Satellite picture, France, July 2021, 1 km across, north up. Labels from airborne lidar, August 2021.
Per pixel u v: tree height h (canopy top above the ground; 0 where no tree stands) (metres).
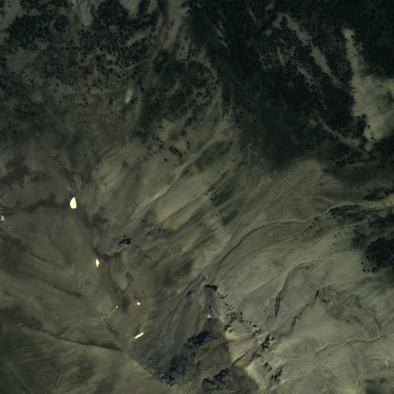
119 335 0
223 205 0
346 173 0
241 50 9
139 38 0
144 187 0
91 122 0
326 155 0
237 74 6
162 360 0
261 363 0
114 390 0
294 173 0
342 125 10
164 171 0
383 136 0
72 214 0
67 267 0
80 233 0
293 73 10
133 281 0
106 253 0
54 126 0
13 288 0
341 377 0
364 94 0
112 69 15
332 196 0
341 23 8
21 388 0
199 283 0
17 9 0
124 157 0
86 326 0
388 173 0
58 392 0
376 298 0
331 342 0
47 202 0
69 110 0
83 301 0
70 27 0
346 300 0
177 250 0
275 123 0
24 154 0
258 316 0
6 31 8
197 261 0
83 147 0
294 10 20
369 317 0
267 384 0
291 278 0
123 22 8
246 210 0
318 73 7
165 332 0
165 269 0
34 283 0
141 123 0
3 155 0
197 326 0
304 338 0
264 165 0
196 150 0
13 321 0
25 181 0
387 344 0
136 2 0
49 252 0
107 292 0
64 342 0
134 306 0
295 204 0
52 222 0
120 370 0
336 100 8
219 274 0
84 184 0
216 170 0
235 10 18
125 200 0
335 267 0
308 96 8
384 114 0
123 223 0
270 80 0
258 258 0
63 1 7
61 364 0
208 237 0
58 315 0
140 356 0
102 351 0
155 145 0
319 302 0
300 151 0
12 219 0
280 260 0
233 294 0
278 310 0
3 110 0
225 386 0
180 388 0
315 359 0
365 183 0
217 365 0
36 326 0
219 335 0
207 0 10
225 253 0
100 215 0
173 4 0
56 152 0
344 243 0
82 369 0
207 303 0
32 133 0
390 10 13
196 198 0
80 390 0
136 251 0
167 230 0
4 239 0
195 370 0
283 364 0
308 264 0
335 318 0
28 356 0
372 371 0
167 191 0
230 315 0
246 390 0
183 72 7
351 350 0
